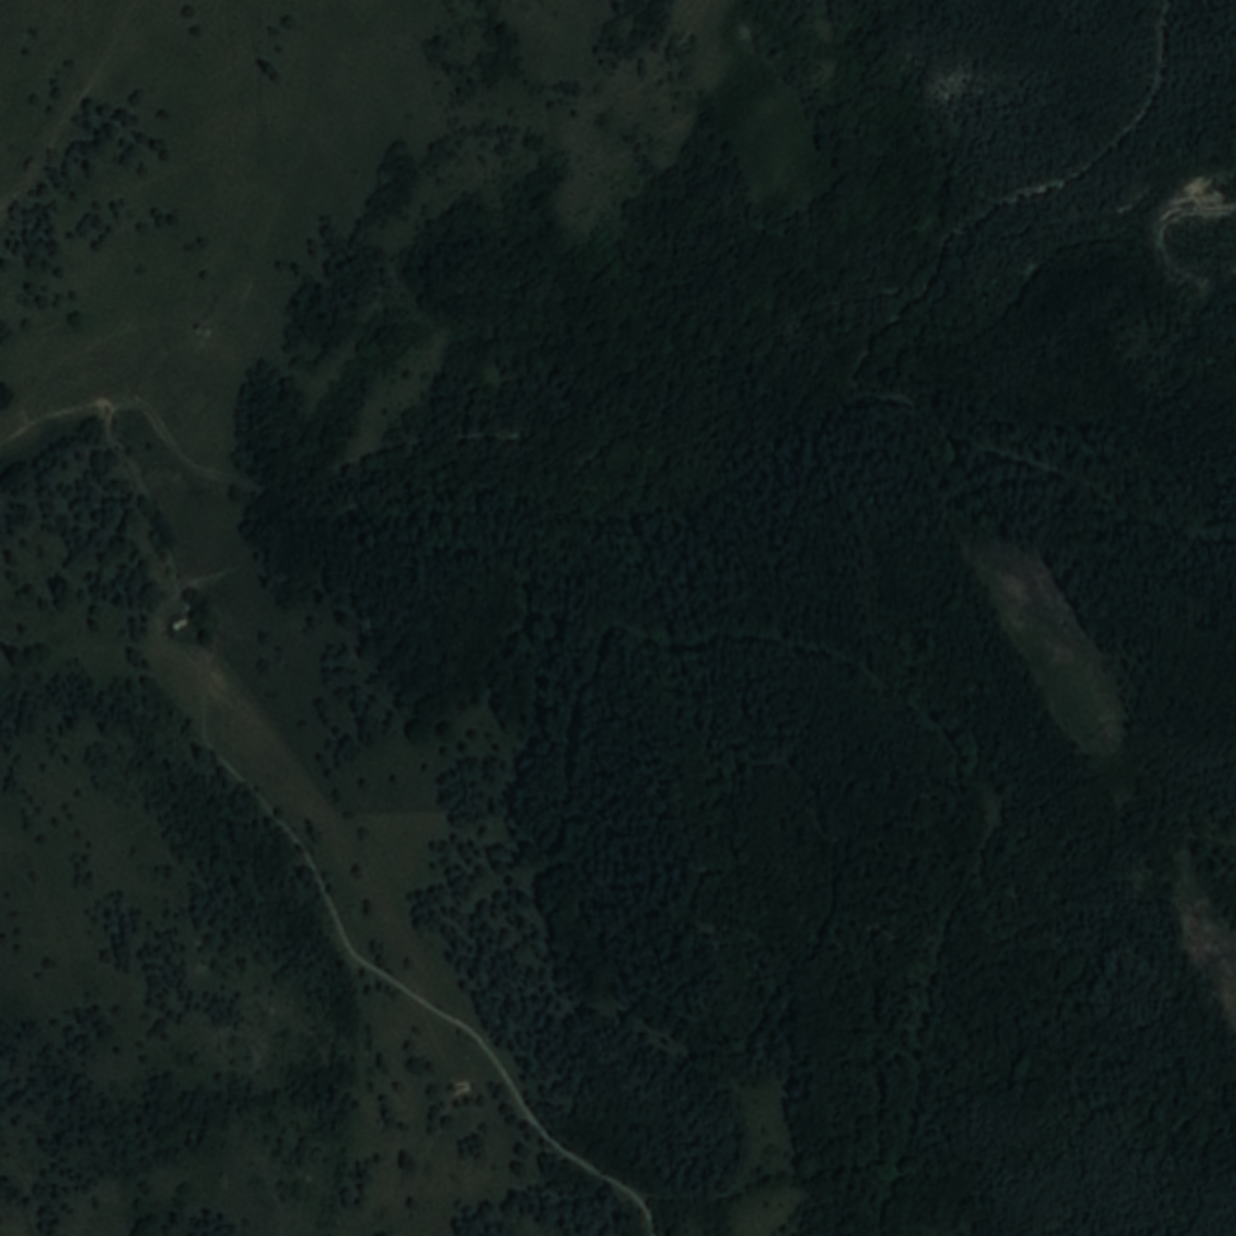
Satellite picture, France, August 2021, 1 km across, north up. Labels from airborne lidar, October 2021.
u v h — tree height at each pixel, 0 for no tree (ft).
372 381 24
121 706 20
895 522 41
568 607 79
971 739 77
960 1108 78
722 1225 26
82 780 0
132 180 0
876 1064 39
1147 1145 32
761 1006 39
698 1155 57
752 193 42
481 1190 0
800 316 20
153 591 45
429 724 47
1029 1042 43
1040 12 51
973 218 52
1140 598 79
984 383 65
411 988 0
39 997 0
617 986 35
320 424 38
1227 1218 47
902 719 68
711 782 25
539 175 23
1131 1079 66
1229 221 24
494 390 24
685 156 26
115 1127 19
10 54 0
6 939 19
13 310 0
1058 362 55
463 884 37
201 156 0
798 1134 40
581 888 69
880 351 69
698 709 70
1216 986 32
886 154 26
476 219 42
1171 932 57
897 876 68
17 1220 0
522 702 71
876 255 51
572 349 48
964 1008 61
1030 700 52
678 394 74
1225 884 24
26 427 0
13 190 0
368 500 87
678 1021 63
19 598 21
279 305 0
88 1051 32
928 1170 32
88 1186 22
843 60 19
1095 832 66
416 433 34
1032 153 56
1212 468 89
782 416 66
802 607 79
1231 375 62
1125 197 50
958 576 30
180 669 0
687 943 60
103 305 0
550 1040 47
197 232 0
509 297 20
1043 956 54
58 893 0
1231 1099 41
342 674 35
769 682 65
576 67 0
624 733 69
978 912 58
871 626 81
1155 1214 44
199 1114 21
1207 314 48
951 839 24
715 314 46
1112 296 62
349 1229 0
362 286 19
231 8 0
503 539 56
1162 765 52
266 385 23
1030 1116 47
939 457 68
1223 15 86
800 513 83
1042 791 42
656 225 27
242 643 0
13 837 0
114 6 0
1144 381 39
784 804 35
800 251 50
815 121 32
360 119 0
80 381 0
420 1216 0
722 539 83
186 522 0
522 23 0
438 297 37
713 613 75
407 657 54
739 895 27
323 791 0
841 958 67
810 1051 61
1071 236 46
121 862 0
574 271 73
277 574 28
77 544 30
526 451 79
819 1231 36
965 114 33
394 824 0
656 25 27
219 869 20
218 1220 31
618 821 71
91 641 0
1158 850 88
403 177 21
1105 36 59
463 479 53
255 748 0
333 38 0
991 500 98
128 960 34
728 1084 54
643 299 27
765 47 34
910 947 66
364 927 0
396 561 63
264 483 49
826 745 58
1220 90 43
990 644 45
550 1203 54
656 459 34
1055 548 51
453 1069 0
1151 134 55
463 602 40
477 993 26
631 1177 23
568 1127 21
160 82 0
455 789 43
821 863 27
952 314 47
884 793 64
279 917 30
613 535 78
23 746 0
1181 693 46
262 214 0
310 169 0
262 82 0
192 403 0
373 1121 0
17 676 19
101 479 39
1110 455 83
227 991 20
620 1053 38
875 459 72
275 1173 0
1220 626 48
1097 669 0
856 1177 61
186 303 0
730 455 68
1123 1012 29
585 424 48
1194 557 46
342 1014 21
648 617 68
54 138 0
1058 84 45
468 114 0
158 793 25
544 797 76
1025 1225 39
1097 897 64
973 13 49
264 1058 0
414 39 0
